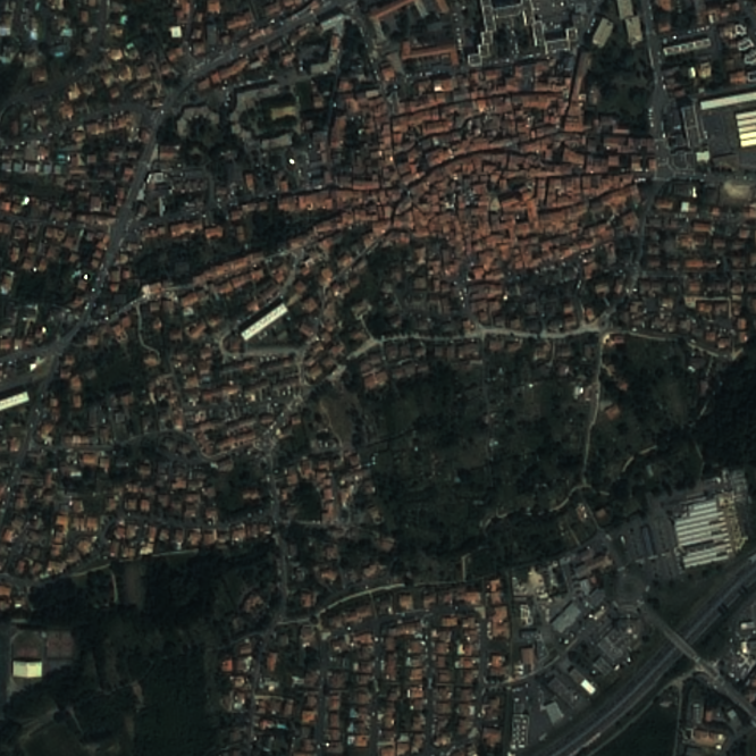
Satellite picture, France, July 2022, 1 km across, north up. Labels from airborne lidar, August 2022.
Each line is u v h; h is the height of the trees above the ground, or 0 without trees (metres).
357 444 14
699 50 0
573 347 7
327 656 0
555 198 0
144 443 6
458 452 0
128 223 0
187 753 7
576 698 0
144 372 6
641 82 0
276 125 8
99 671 11
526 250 0
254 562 11
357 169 0
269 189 6
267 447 0
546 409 0
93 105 7
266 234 13
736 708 12
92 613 14
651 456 11
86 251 6
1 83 8
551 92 0
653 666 0
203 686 8
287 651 9
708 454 16
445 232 0
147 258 8
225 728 11
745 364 19
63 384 10
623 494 17
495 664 0
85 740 14
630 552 0
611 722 0
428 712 7
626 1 0
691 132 0
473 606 0
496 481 7
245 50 0
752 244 12
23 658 0
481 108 0
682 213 0
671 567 0
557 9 0
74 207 7
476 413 0
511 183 8
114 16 12
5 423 8
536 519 16
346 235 9
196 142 7
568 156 0
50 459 9
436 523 9
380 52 0
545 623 0
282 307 0
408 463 0
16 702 13
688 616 0
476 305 0
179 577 21
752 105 0
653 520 0
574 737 0
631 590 0
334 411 0
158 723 6
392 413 0
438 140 0
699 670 0
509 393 9
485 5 0
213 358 6
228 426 0
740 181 0
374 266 6
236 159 8
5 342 0
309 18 0
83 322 0
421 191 0
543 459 9
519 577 0
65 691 12
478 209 0
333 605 0
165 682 7
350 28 17
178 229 0
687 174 0
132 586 0
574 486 6
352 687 7
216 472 7
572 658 10
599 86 7
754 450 22
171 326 8
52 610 22
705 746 0
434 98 0
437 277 0
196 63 0
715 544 0
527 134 0
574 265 7
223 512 7
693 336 6
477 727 0
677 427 6
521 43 10
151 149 0
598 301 11
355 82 11
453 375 6
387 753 0
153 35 10
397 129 0
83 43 7
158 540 6
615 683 0
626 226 6
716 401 11
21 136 6
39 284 8
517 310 6
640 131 8
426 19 8
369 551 10
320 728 0
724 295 10
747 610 0
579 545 0
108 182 6
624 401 18
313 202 0
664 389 0
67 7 9
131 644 0
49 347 0
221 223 12
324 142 0
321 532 12
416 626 0
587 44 12
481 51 0
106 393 8
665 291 6
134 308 7
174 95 0
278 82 0
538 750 0
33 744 0
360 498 6
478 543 7
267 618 10
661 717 0
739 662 0
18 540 0
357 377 11
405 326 15
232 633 5
